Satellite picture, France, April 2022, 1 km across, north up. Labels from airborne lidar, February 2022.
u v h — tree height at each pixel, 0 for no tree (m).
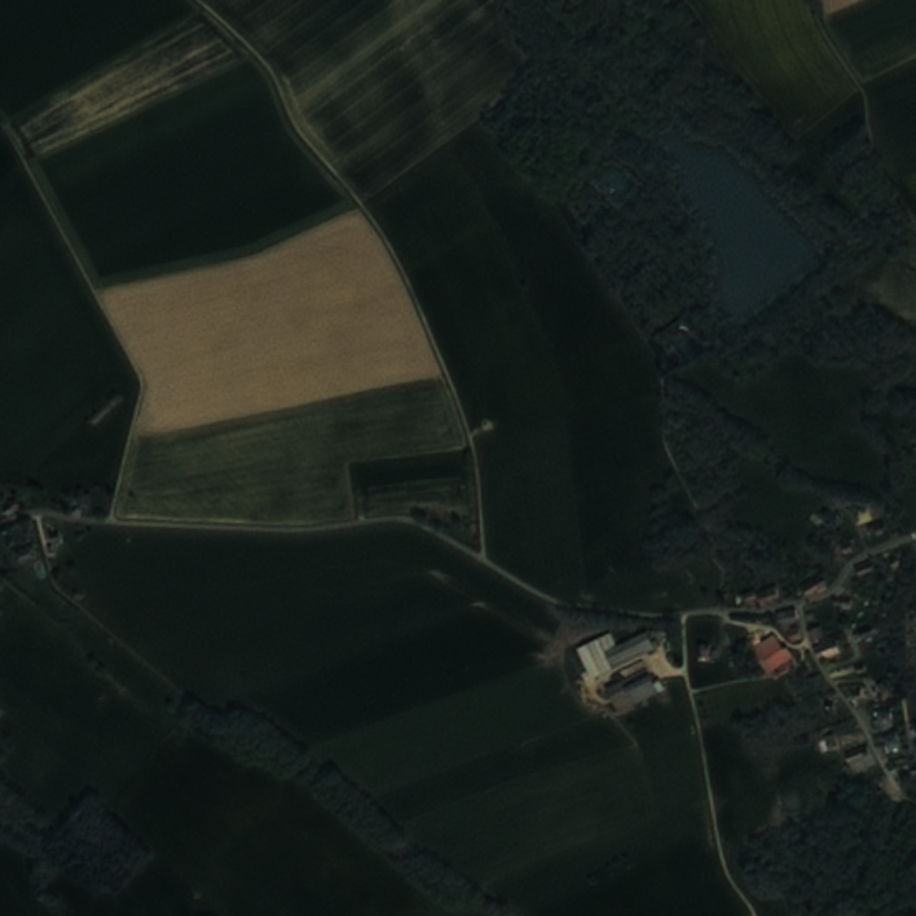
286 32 0
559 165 29
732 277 0
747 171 0
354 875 0
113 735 0
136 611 0
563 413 0
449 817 0
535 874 0
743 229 0
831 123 0
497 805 0
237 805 0
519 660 0
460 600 0
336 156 0
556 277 0
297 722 0
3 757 14
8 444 0
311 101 0
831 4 0
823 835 28
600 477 0
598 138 28
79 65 0
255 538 0
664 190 24
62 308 0
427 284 0
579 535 0
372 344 0
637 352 0
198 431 0
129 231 0
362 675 0
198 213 0
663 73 18
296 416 0
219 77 0
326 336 0
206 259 0
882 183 22
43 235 0
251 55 0
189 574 0
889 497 12
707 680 0
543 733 0
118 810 0
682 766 0
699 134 25
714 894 0
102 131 0
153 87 0
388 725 0
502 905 14
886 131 0
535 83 20
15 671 0
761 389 0
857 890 18
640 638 0
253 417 0
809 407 0
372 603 0
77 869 22
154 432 0
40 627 0
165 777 0
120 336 0
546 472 0
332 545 0
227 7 0
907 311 0
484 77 0
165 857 0
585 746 0
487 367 0
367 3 0
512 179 0
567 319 0
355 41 0
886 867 29
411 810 0
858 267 19
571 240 0
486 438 0
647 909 0
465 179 0
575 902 0
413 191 0
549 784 0
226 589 0
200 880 0
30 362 0
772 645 0
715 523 18
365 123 0
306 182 0
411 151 0
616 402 0
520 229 0
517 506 0
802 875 12
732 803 0
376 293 0
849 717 0
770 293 0
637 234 25
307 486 0
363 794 12
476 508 0
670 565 15
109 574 0
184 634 0
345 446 0
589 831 0
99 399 0
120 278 0
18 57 0
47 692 0
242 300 0
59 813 0
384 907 0
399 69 0
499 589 0
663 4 29
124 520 0
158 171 0
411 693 0
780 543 15
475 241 0
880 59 0
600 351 0
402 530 0
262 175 0
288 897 0
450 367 0
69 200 0
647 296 29
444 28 0
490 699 0
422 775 0
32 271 0
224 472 0
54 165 0
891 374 22
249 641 0
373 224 0
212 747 0
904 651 24
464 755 0
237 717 20
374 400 0
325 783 21
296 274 0
